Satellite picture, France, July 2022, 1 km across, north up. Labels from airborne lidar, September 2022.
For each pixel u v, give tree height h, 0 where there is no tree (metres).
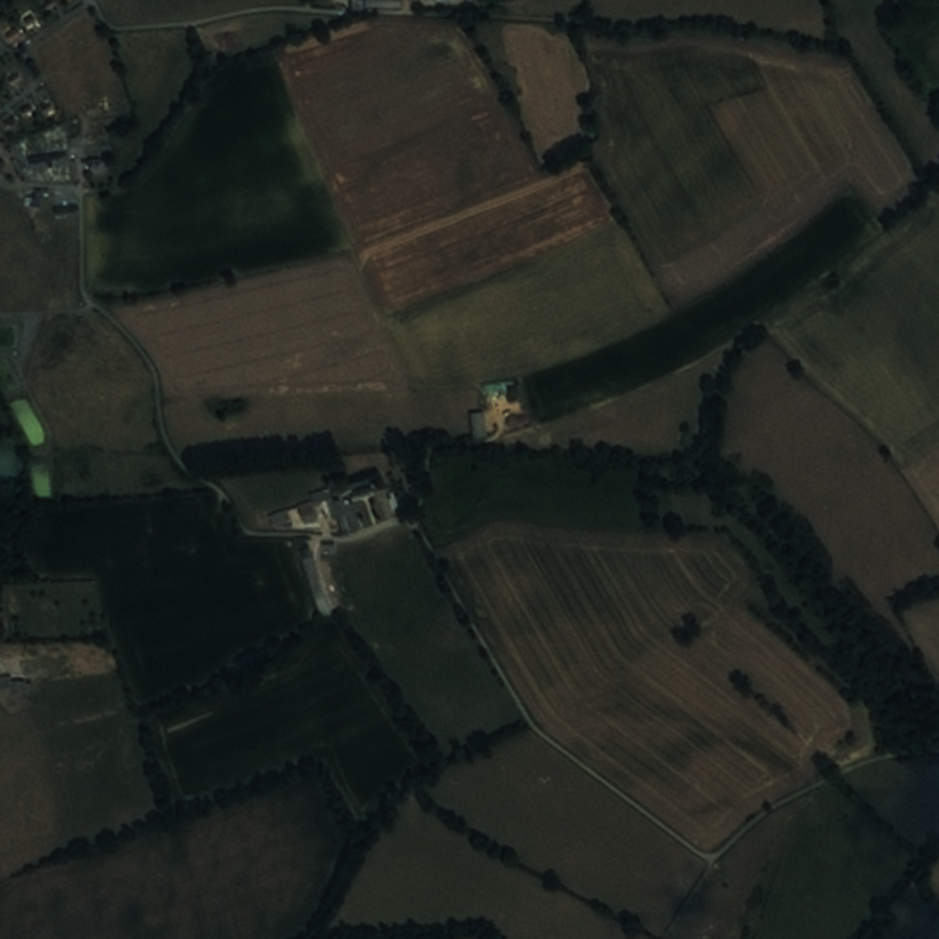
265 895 0
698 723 0
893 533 0
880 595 0
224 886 0
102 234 0
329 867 0
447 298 0
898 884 6
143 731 13
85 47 0
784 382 0
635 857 0
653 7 0
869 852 0
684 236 0
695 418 0
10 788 0
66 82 0
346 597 0
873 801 0
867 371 0
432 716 0
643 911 0
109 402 0
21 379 0
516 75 0
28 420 0
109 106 0
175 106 14
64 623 0
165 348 0
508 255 0
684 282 0
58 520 0
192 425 0
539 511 0
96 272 0
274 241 0
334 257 0
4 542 17
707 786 0
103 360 0
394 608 0
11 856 0
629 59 0
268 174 0
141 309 0
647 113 0
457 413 0
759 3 0
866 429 0
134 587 0
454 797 0
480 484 0
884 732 9
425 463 24
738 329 0
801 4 0
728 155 0
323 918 18
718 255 0
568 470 0
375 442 0
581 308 0
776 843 0
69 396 0
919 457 0
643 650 0
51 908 0
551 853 0
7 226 0
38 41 0
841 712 0
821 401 0
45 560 0
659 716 0
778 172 0
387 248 0
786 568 9
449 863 0
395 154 0
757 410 0
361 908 0
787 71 0
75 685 0
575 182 0
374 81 0
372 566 0
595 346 0
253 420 0
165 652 0
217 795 11
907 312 0
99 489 0
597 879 0
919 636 0
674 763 0
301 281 0
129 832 16
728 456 0
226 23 0
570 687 0
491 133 0
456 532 0
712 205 0
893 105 0
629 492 0
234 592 0
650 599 0
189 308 0
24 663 0
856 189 0
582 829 0
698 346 0
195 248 0
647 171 0
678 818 0
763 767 0
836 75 0
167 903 0
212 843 0
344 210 0
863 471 0
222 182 0
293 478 0
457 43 0
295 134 0
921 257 0
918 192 15
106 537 0
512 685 0
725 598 0
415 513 28
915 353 0
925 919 0
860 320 0
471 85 0
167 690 0
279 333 0
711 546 0
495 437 0
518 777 0
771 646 0
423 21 0
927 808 0
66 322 0
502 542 0
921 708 20
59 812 0
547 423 0
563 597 0
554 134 0
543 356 0
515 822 0
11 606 0
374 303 0
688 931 0
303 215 0
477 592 0
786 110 0
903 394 0
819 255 0
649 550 0
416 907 0
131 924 0
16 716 0
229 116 0
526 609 0
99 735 0
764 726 0
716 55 0
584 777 0
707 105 0
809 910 0
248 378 0
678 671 0
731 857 0
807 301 0
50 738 0
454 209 0
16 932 0
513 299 0
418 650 0
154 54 0
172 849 0
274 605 0
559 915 0
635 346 0
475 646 0
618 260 0
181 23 0
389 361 0
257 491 0
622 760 0
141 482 0
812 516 0
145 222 0
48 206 0
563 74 0
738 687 16
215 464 36
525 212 0
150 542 0
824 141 0
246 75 0
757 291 0
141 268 0
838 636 9
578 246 0
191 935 0
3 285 0
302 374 0
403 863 0
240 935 0
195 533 0
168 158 0
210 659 0
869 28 0
